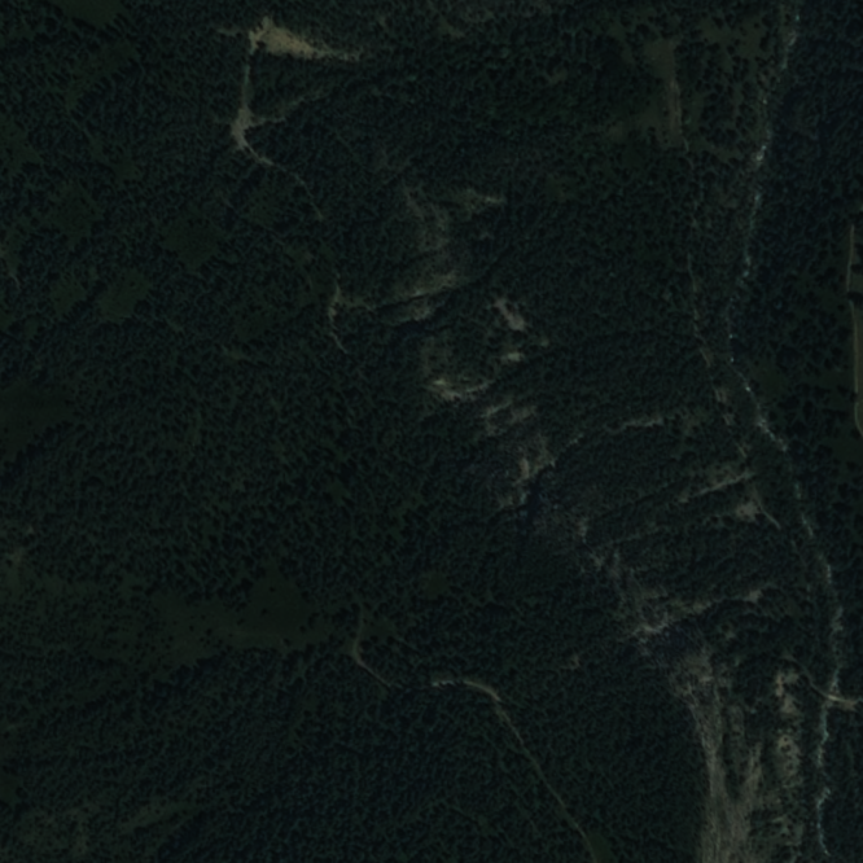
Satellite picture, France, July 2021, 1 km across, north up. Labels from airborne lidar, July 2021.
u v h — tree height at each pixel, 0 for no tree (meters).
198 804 10
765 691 14
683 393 12
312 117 20
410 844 21
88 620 10
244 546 32
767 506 7
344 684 17
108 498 19
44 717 16
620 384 21
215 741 9
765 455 11
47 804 7
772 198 19
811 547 7
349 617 16
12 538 11
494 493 15
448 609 13
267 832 13
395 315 12
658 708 29
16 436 0
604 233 24
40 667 16
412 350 14
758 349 23
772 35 13
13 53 23
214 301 25
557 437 11
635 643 13
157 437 21
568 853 19
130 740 9
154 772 15
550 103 16
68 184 25
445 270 7
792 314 27
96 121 30
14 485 25
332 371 29
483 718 21
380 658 27
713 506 13
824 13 27
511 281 23
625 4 25
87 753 17
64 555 13
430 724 16
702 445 15
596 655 16
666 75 0
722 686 8
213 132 20
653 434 19
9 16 26
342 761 26
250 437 8
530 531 10
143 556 25
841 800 20
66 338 20
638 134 12
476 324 18
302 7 26
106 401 12
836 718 20
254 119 6
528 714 16
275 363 19
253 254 25
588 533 9
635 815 24
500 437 8
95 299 22
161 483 23
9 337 17
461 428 24
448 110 20
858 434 19
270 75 25
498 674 21
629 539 9
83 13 0
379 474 27
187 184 31
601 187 13
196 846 21
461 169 19
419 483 25
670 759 26
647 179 6
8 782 0
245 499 17
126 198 15
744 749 6
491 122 10
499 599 16
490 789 26
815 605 25
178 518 28
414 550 25
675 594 15
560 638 17
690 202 15
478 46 7
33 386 16
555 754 22
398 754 14
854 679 19
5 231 18
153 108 29
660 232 5
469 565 17
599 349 21
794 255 27
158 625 7
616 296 24
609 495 8
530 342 6
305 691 19
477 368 8
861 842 20
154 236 18
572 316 17
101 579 25
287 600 0
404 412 23
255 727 18
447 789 12
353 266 26
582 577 20
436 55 14
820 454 14
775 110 7
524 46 13
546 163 11
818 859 13
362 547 27
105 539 20
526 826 25
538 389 15
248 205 7
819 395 28
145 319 22
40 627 8
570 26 24
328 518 34
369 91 29
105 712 18
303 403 26
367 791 10
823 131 7
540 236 15
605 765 26
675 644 11
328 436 24
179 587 29
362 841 18
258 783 13
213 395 19
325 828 11
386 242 23
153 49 29
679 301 23
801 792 17
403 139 25
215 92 24
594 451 10
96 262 18
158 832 12
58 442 19
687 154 8
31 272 24
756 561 23
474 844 23
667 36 18
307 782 13
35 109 27
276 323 6
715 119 15
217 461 23
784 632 25
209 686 27
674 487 14
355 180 18
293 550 35
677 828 30
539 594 20
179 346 22
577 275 26
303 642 0
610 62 26
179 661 0
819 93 21
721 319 17
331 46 12
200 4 24
